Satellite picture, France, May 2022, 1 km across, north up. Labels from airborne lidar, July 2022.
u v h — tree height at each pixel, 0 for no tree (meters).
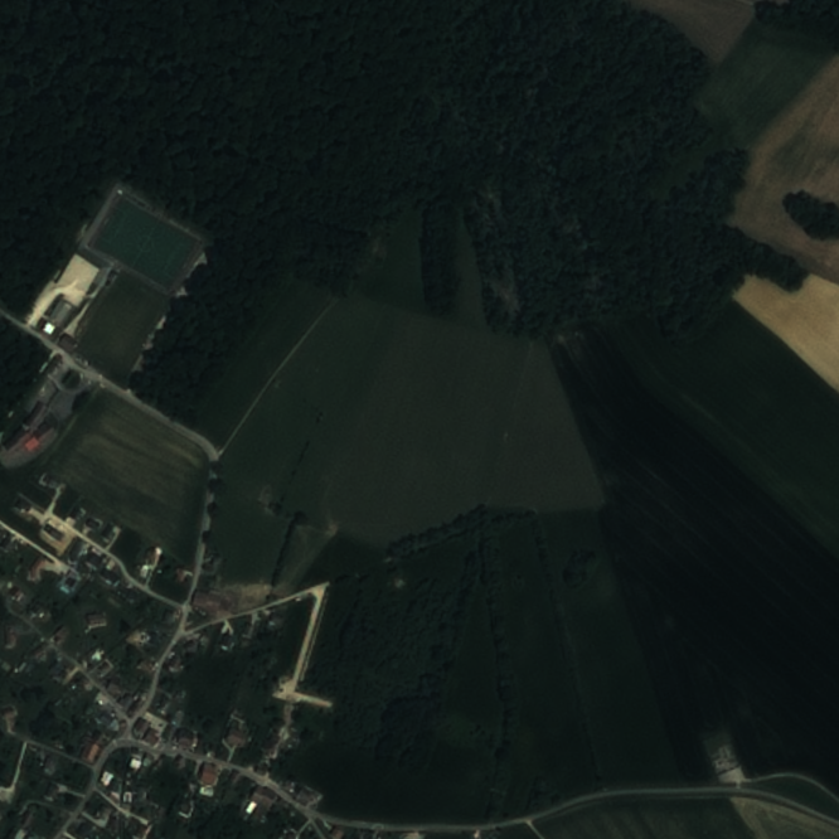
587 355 0
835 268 0
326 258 27
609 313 18
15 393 15
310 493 0
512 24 26
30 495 0
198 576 0
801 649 0
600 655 0
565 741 0
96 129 22
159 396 24
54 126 28
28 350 26
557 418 0
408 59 28
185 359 29
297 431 0
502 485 0
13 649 0
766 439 0
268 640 9
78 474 0
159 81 30
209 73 31
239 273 25
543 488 0
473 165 28
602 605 0
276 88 29
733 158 16
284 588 0
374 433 0
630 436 0
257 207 21
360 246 26
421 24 25
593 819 0
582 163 31
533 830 0
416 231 0
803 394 0
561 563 0
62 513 0
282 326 0
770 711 0
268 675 8
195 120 32
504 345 0
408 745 16
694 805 0
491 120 18
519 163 29
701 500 0
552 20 24
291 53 31
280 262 32
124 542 0
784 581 0
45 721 23
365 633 14
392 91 30
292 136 27
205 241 0
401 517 0
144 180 31
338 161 28
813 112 0
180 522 0
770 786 0
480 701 0
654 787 0
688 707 0
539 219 27
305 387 0
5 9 30
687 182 0
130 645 8
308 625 0
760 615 0
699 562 0
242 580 0
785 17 19
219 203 26
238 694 0
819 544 0
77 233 0
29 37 31
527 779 0
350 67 26
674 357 0
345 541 0
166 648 0
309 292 0
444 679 11
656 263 29
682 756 0
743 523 0
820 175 0
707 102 0
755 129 0
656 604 0
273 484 0
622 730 0
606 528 0
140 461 0
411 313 0
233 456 0
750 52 0
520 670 0
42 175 26
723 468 0
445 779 0
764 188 0
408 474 0
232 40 29
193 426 23
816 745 0
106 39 27
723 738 0
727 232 23
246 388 0
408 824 0
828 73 0
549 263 29
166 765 0
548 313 24
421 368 0
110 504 0
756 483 0
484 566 17
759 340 0
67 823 0
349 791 0
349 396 0
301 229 33
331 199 20
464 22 7
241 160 27
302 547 0
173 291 0
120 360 0
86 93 7
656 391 0
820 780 0
